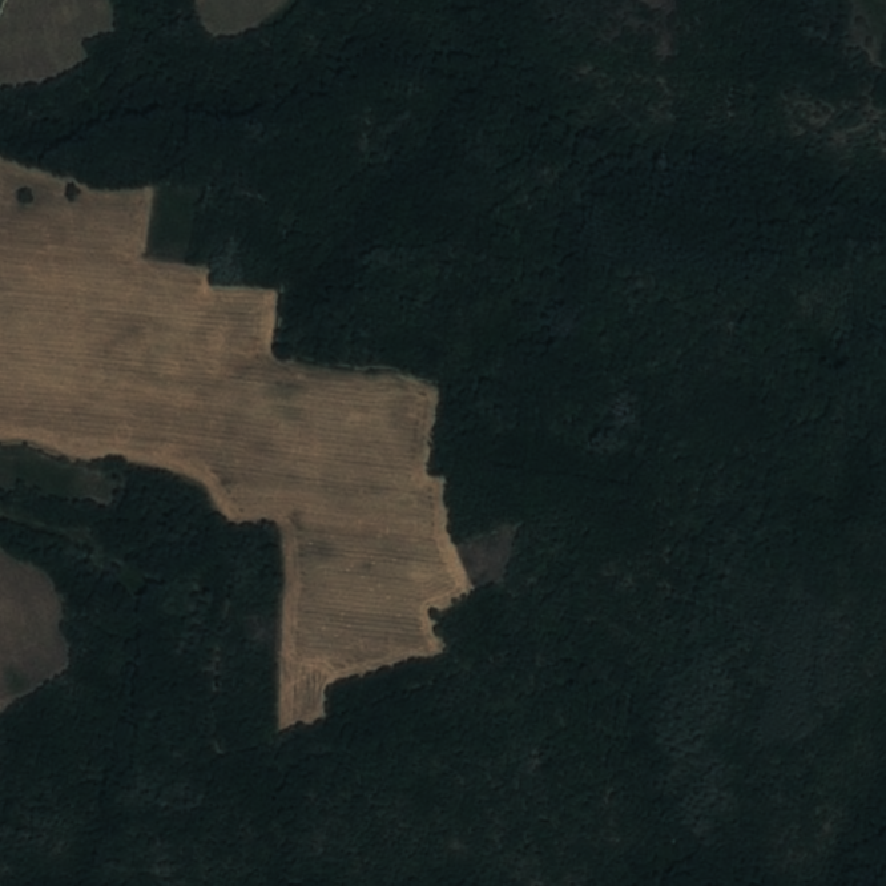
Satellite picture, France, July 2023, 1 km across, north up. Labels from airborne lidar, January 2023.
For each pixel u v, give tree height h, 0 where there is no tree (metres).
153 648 24
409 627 0
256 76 20
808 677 13
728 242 14
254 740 17
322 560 0
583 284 18
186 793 7
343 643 0
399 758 17
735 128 15
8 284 0
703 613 20
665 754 10
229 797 13
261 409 0
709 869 27
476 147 7
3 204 0
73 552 24
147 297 0
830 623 10
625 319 12
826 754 16
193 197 0
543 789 14
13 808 21
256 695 9
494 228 9
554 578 16
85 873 18
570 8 12
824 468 14
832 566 10
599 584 11
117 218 0
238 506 0
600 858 12
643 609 12
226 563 22
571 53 15
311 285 14
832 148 7
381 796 17
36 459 0
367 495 0
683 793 16
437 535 0
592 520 17
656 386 10
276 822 24
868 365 21
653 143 15
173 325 0
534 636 20
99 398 0
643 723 20
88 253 0
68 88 16
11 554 12
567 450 12
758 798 14
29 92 16
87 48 11
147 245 0
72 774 22
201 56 20
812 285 9
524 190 18
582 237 20
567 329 19
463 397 14
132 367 0
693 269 20
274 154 23
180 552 23
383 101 14
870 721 10
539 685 13
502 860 11
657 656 15
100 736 26
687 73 13
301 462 0
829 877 16
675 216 17
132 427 0
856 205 24
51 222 0
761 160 17
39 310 0
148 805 12
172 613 14
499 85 16
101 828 14
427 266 10
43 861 7
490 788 16
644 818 16
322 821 11
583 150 20
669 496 18
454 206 11
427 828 16
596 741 20
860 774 10
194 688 17
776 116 9
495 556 0
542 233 19
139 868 11
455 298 9
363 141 24
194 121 20
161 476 16
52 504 20
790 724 13
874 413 16
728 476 15
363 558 0
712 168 20
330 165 20
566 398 21
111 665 22
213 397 0
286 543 0
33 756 14
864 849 25
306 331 11
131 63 15
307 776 18
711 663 19
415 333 8
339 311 18
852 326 24
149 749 17
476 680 13
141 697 22
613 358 12
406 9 17
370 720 14
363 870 6
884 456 13
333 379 0
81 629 18
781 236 16
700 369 14
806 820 14
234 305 0
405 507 0
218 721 9
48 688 15
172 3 16
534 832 16
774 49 21
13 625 0
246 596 14
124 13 17
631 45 11
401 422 0
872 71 9
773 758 14
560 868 13
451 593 0
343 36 21
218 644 12
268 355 0
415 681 13
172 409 0
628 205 16
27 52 0
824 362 17
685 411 9
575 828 12
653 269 19
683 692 14
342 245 12
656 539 13
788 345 21
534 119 26
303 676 0
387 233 9
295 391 0
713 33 21
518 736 15
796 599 9
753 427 11
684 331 13
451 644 9
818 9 11
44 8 0
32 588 0
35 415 0
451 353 9
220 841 16
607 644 11
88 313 0
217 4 0
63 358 0
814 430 18
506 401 17
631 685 19
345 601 0
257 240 10
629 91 9
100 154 24
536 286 20
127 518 21
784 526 16
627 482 13
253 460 0
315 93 16
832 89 13
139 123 23
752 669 18
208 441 0
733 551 13
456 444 17
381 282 14
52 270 0
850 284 15
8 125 18
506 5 18
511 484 16
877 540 6
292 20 17
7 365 0
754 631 11
